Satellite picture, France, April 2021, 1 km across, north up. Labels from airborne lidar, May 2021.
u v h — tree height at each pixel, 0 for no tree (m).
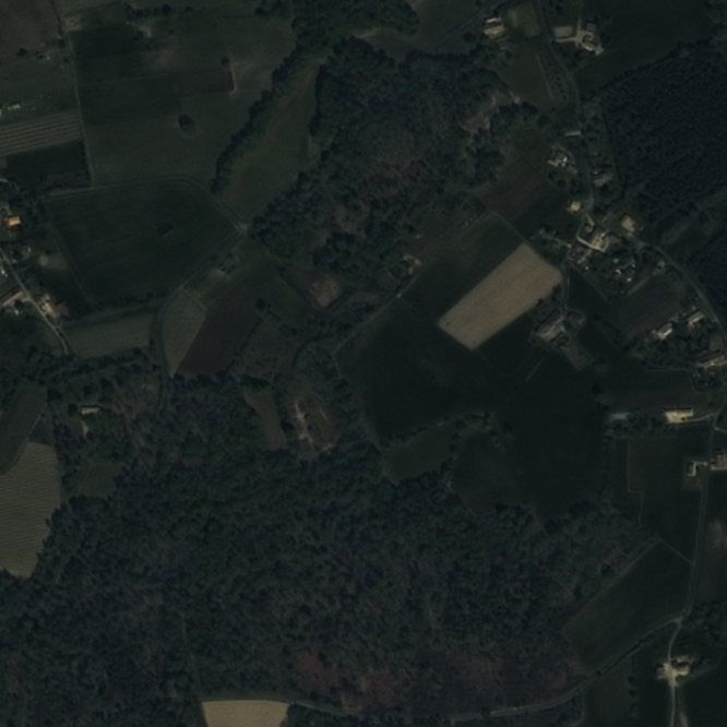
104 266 0
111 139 0
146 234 0
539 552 14
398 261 11
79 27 0
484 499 0
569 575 14
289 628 15
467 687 0
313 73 0
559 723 10
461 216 0
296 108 0
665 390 0
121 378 15
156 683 20
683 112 11
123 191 0
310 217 16
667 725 0
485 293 0
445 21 0
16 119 0
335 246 10
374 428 0
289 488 19
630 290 0
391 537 21
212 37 0
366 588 18
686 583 0
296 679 9
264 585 15
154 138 0
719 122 12
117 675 20
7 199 15
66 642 18
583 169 12
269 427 0
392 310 0
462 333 0
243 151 22
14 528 0
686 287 13
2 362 0
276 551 23
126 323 0
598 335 0
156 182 0
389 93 18
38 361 7
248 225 0
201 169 0
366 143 19
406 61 0
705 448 0
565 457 0
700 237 0
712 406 7
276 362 7
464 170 14
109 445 15
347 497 17
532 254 0
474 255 0
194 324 0
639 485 0
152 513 18
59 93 0
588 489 0
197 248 0
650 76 10
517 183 0
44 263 0
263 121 19
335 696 15
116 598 8
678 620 0
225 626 24
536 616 14
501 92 16
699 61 12
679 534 0
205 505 31
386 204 13
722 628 0
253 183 0
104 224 0
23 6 0
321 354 16
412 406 0
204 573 17
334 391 14
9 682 20
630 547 8
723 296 11
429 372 0
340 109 17
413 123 24
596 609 0
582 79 0
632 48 0
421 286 0
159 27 0
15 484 0
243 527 22
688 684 0
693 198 7
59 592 11
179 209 0
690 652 0
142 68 0
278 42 0
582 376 0
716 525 0
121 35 0
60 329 0
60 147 0
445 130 15
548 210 0
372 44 0
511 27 0
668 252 0
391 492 20
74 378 8
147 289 0
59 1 0
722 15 21
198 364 0
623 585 0
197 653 21
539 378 0
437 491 25
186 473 22
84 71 0
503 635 22
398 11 20
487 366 0
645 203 10
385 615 16
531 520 11
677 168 11
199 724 12
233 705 0
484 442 0
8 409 7
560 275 0
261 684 17
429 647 21
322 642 8
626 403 0
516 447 0
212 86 0
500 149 12
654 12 0
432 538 22
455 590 24
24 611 21
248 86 0
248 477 20
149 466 18
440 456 0
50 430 0
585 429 0
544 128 14
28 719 10
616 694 0
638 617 0
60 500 0
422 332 0
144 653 19
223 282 0
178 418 9
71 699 14
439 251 0
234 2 0
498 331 0
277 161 0
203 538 17
